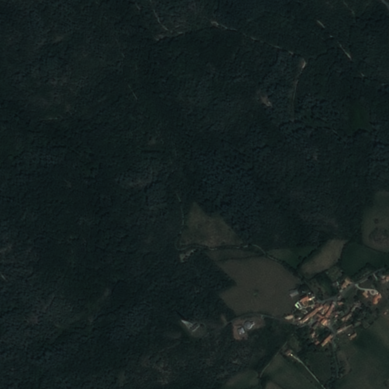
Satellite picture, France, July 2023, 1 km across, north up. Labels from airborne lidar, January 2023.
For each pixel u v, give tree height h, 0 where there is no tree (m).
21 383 8
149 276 11
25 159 18
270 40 12
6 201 19
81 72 10
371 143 13
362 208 12
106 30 8
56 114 10
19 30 11
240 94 8
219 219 0
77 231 14
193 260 9
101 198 13
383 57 15
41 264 14
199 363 7
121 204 19
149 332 8
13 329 19
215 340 6
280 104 28
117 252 15
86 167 8
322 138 15
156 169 16
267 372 0
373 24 13
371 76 9
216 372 11
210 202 14
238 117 7
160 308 12
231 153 15
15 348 15
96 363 11
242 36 13
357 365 0
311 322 0
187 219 7
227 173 28
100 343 16
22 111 7
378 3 10
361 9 9
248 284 0
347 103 26
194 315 12
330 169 7
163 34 7
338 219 8
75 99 17
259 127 22
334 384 12
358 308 9
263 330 0
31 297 18
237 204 29
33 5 6
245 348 10
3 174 23
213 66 9
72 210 24
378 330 0
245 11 26
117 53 8
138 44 16
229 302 0
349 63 19
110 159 22
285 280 0
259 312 0
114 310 9
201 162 24
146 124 13
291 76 18
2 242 9
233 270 0
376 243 0
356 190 13
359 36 12
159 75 27
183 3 11
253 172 15
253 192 27
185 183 15
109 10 20
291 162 8
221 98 8
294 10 24
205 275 8
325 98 9
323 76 17
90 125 10
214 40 9
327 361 0
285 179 11
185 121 19
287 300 0
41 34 14
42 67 16
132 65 17
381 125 19
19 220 14
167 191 9
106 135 15
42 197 18
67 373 17
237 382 0
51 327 13
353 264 0
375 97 17
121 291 19
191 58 15
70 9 13
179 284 11
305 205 12
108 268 15
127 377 10
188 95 13
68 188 19
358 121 0
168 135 15
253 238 6
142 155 19
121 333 17
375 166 18
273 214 6
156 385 9
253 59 8
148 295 14
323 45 16
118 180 21
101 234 25
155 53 28
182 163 17
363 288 0
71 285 11
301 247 9
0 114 21
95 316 8
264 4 23
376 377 0
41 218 16
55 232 18
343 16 15
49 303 11
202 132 17
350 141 23
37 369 12
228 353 8
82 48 6
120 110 11
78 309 12
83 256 28
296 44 22
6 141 15
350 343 0
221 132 15
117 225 8
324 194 9
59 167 22
